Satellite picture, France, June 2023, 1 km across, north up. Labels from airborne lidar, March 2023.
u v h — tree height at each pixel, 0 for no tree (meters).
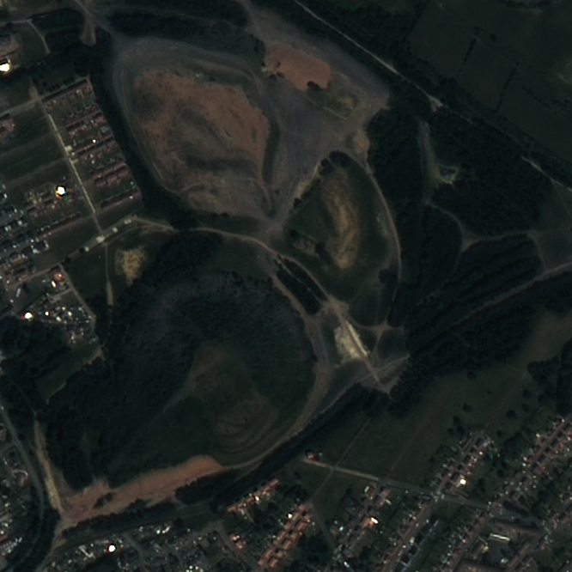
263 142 0
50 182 0
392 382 0
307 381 0
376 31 11
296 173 0
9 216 0
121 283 0
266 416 0
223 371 0
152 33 0
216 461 0
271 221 0
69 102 0
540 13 0
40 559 12
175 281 0
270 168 0
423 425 0
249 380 0
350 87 0
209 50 0
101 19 0
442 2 0
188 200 0
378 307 0
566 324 0
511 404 0
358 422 0
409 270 0
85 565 0
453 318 13
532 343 0
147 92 0
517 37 0
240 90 0
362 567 8
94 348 0
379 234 0
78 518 0
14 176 0
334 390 0
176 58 0
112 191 0
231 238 0
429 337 10
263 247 0
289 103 0
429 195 0
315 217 0
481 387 0
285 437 0
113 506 0
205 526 0
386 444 0
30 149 0
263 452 0
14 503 0
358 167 0
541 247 0
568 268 0
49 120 0
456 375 0
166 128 0
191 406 6
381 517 0
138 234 0
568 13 0
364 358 0
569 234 0
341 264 0
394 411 13
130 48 0
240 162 0
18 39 0
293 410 0
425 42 0
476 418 0
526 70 0
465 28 0
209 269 0
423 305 7
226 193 0
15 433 0
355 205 0
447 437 0
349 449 0
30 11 0
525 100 0
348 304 0
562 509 0
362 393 19
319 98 0
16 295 0
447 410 0
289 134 0
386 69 6
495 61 0
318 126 0
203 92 0
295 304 0
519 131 8
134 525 0
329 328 0
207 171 0
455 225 10
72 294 0
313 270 0
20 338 25
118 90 0
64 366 0
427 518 0
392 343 0
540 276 0
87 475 14
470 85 0
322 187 0
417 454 0
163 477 0
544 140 0
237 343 0
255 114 0
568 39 0
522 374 0
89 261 0
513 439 8
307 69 0
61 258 0
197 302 9
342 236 0
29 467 0
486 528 0
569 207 0
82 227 0
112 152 0
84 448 0
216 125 0
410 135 9
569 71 0
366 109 0
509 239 8
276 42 0
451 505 0
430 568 0
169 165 0
